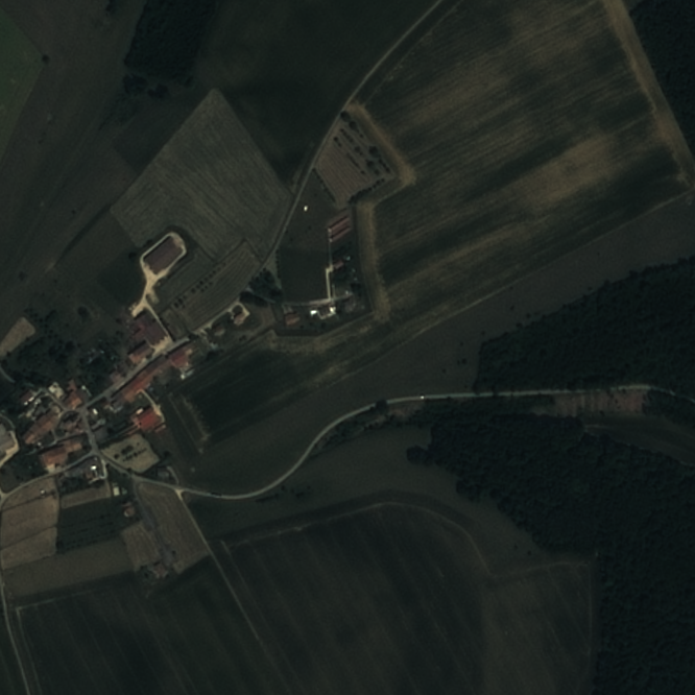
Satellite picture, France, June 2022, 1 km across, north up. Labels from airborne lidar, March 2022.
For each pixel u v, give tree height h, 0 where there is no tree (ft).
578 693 0
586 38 0
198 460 0
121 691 0
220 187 0
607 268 0
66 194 0
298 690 0
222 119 0
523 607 0
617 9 0
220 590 0
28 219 0
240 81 0
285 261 0
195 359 0
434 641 0
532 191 0
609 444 77
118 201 0
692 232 0
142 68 21
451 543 0
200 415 0
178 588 0
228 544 0
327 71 0
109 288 0
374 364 0
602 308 46
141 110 0
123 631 0
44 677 0
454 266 0
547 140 0
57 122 0
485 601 0
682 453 0
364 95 0
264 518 0
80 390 0
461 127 0
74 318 0
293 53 0
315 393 0
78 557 0
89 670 0
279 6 0
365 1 0
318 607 0
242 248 0
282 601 0
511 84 0
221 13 0
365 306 0
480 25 0
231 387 0
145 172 0
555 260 0
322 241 0
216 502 0
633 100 0
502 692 0
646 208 0
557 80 0
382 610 0
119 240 0
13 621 0
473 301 0
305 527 0
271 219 0
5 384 0
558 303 0
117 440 18
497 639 0
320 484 0
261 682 0
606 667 49
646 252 0
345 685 0
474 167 0
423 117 0
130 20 0
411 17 0
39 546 0
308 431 0
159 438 0
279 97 0
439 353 0
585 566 0
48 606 0
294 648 0
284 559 0
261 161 0
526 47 0
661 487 66
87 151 0
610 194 0
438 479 0
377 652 0
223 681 0
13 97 0
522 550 0
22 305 0
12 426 0
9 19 0
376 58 0
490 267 0
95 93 0
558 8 0
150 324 0
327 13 0
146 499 0
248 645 0
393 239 0
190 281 0
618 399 50
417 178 0
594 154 0
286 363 0
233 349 0
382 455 0
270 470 0
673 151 0
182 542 0
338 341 0
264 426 0
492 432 66
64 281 0
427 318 0
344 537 0
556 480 60
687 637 68
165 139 0
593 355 47
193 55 26
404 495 0
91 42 0
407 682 0
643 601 55
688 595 66
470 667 0
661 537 71
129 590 0
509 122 0
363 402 0
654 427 0
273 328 0
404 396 0
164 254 0
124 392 0
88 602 0
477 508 0
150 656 0
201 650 0
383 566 0
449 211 0
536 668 0
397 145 0
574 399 57
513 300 0
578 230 0
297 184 0
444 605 0
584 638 0
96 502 0
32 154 0
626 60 0
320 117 0
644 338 43
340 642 0
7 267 0
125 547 0
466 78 0
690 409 59
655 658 49
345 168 0
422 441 0
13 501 0
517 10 0
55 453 0
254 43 0
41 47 0
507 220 0
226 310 0
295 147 0
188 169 0
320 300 0
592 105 0
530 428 77
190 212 0
